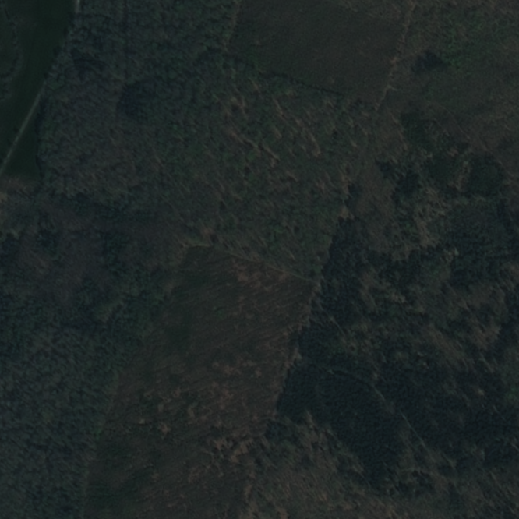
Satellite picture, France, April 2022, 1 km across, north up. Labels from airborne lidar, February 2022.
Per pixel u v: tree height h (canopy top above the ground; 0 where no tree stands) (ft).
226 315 21
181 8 80
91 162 86
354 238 54
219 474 23
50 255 47
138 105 49
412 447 76
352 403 82
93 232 50
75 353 87
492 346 71
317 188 91
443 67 75
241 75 95
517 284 59
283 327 18
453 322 88
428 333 70
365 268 71
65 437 90
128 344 63
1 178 0
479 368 64
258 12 28
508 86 64
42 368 90
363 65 34
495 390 53
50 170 56
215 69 84
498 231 64
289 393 59
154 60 55
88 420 74
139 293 26
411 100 35
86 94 94
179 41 94
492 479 71
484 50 53
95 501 30
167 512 23
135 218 48
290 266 78
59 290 66
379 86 36
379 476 97
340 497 78
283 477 70
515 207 66
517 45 62
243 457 34
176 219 84
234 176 80
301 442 69
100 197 62
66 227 70
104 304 60
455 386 60
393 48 32
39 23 0
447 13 59
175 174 68
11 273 49
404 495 80
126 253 68
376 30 36
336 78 36
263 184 91
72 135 81
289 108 90
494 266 67
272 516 62
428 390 67
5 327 95
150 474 30
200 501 25
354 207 84
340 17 30
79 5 0
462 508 58
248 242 82
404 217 83
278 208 88
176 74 94
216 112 92
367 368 92
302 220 82
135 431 31
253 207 91
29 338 46
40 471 89
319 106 87
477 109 44
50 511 81
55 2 0
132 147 39
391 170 93
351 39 29
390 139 49
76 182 81
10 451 87
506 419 98
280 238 76
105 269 62
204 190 82
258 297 17
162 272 51
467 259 77
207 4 72
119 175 82
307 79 33
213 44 86
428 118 22
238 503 26
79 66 66
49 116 99
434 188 74
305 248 82
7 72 0
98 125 92
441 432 73
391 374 94
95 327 62
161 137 67
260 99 82
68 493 75
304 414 73
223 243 91
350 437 85
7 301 87
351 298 96
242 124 81
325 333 96
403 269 27
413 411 91
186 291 19
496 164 28
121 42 79
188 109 79
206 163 81
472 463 71
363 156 69
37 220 73
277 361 0
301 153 89
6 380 81
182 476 23
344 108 83
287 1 24
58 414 90
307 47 24
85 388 73
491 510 66
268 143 82
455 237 53
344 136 93
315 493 71
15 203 60
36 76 0
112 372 42
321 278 77
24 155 0
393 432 90
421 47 58
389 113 67
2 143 0
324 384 91
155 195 89
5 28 0
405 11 61
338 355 64
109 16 93
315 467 63
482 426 96
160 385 19
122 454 28
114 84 95
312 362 82
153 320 42
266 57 27
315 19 28
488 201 38
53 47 0
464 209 48
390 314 68
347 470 74
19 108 0
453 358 69
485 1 51
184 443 27
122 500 23
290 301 20
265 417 19
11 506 91
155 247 56
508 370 83
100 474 23
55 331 73
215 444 26
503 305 71
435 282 90
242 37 27
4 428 104
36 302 44
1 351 84
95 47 36
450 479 69
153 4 83
